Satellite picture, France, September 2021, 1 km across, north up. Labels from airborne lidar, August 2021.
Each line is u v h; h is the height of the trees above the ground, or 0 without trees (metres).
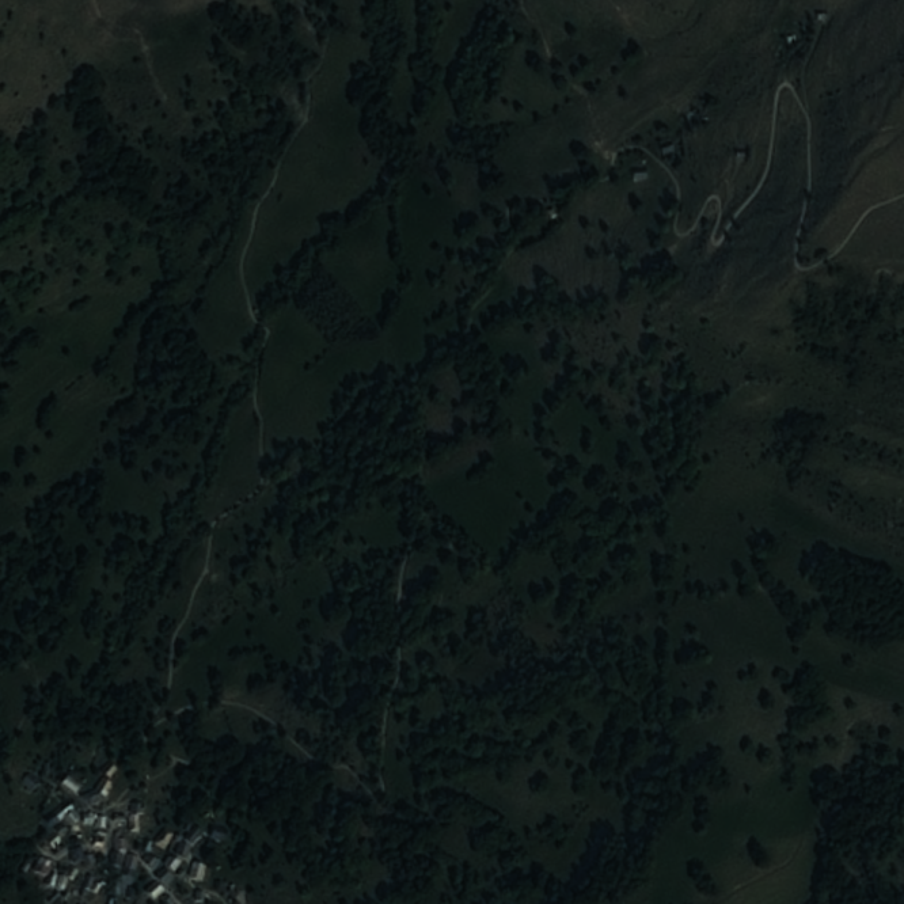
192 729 15
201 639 13
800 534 0
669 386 12
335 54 0
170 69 0
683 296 0
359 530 0
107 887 6
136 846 9
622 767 16
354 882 13
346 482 20
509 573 15
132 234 19
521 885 24
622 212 0
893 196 0
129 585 12
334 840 21
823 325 7
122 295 0
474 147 10
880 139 0
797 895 0
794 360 0
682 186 0
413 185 0
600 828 0
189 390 16
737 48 0
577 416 0
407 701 12
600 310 10
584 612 14
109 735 13
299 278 17
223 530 0
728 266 0
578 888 16
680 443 19
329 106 0
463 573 16
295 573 0
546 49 0
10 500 0
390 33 16
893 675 0
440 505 0
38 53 0
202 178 6
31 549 17
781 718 0
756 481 0
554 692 19
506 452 0
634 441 0
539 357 0
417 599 20
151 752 13
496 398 16
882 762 17
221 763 19
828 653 0
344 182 0
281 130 11
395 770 0
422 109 18
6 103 0
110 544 0
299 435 0
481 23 14
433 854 13
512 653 18
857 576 23
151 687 11
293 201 0
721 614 0
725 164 0
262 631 0
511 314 18
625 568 20
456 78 20
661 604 11
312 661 17
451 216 0
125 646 9
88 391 0
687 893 0
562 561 19
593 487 22
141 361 13
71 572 17
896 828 20
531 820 0
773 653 0
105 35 0
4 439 0
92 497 13
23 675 0
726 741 0
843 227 0
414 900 21
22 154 16
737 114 0
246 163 13
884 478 0
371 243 0
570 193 17
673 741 14
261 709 0
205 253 14
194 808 16
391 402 19
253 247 0
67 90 10
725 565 0
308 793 21
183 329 13
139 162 12
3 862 22
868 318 9
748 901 0
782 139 0
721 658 0
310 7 13
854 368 10
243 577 15
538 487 0
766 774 0
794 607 18
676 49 0
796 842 0
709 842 0
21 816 0
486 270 17
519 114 15
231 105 10
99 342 0
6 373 12
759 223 0
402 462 24
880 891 24
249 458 0
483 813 16
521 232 16
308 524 14
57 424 0
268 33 10
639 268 0
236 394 14
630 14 0
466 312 19
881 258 0
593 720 0
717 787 14
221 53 14
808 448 21
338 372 0
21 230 15
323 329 7
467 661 9
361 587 16
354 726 18
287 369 0
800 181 0
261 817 22
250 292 0
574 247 0
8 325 20
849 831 22
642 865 23
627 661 20
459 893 8
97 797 0
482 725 16
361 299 0
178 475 7
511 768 16
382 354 0
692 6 0
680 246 0
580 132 0
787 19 0
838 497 9
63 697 20
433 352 20
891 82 0
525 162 0
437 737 19
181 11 0
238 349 0
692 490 10
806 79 0
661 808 17
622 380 16
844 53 0
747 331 0
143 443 12
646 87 0
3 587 15
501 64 7
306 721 15
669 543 14
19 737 9
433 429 0
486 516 0
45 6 0
